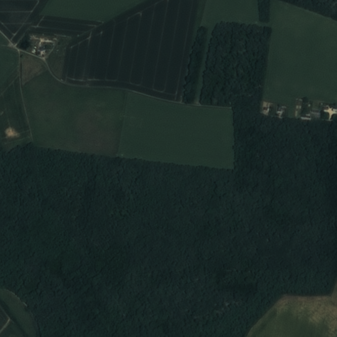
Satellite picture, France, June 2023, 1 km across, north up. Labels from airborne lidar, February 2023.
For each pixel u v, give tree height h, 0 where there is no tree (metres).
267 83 0
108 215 21
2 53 0
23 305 0
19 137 0
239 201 23
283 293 13
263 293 19
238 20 0
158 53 0
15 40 0
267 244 22
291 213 22
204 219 21
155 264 22
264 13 13
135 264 20
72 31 0
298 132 23
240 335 18
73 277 20
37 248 19
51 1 0
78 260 18
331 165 20
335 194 22
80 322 18
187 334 18
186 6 0
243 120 19
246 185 19
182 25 0
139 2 0
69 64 0
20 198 17
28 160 19
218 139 0
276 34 0
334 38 0
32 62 0
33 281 8
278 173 22
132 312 15
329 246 23
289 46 0
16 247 20
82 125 0
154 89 0
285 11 0
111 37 0
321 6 15
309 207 12
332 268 21
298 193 19
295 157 23
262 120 19
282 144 20
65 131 0
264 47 20
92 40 0
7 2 0
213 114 0
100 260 11
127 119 0
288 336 0
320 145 21
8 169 18
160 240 21
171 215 21
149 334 20
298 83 0
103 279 18
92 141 0
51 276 15
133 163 20
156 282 8
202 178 20
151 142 0
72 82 0
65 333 17
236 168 14
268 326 0
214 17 0
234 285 8
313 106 0
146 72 0
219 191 24
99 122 0
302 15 0
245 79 24
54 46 0
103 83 0
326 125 17
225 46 25
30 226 16
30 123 0
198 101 0
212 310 21
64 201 19
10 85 0
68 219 17
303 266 18
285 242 20
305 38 0
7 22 0
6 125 0
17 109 0
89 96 0
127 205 19
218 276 7
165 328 8
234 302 20
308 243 21
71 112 0
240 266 21
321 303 0
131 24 0
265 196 20
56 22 0
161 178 21
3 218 20
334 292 0
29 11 0
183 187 18
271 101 0
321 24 0
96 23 0
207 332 19
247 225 20
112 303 19
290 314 0
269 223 18
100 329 20
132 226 19
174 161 0
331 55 0
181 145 0
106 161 17
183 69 0
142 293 16
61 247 17
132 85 0
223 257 18
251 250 23
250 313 17
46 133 0
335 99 0
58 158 17
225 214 20
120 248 13
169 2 0
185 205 19
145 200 18
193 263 23
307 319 0
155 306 23
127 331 16
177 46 0
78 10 0
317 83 0
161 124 0
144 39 0
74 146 0
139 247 13
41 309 20
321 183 20
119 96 0
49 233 17
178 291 21
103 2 0
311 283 18
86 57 0
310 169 21
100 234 21
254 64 23
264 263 22
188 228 17
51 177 16
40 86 0
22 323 0
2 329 0
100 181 16
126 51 0
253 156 13
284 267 16
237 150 13
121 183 21
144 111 0
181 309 23
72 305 18
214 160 0
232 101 21
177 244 22
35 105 0
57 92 0
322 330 0
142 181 20
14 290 14
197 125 0
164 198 19
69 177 17
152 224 19
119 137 0
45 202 15
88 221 16
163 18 0
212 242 21
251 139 14
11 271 18
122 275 13
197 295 23
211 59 23
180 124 0
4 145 0
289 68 0
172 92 0
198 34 8
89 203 9
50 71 0
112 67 0
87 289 21
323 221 13
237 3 0
